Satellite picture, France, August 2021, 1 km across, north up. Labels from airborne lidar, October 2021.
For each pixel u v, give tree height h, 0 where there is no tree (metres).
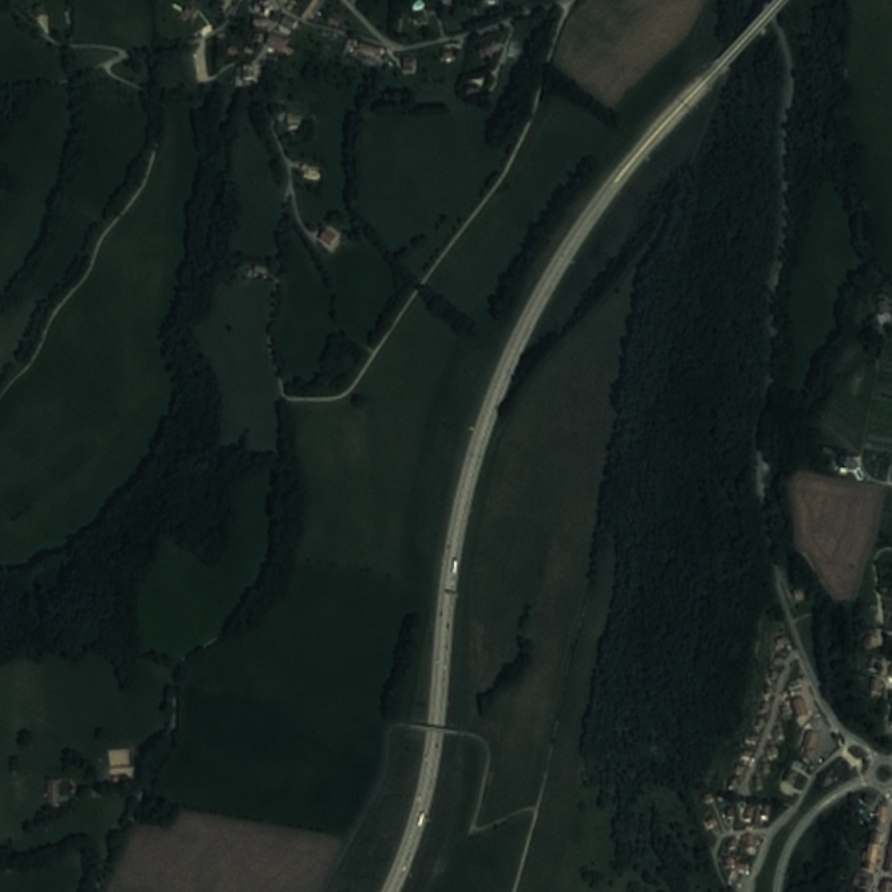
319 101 0
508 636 0
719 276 23
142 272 0
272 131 10
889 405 0
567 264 0
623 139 0
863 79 0
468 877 0
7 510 0
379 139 0
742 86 18
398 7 7
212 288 19
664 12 0
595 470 0
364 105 23
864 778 0
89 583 29
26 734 14
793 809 0
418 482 0
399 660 8
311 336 0
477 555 0
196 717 0
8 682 0
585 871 6
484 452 0
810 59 15
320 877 0
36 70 0
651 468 24
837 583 0
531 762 0
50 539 0
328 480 0
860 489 0
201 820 0
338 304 11
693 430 25
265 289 0
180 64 0
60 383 0
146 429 0
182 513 27
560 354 0
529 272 16
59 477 0
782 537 19
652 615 23
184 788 0
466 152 0
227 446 0
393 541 0
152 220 0
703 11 0
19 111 18
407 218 0
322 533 0
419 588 0
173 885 0
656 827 13
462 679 0
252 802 0
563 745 0
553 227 19
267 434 0
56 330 0
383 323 13
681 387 22
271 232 0
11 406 0
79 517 0
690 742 21
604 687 19
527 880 0
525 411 0
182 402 19
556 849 0
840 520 0
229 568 0
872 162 0
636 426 19
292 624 0
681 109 0
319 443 0
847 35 18
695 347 27
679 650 34
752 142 24
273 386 0
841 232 0
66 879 0
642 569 25
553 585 0
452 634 0
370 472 0
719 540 23
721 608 45
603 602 0
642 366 15
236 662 0
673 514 22
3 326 0
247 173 0
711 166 12
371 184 0
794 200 21
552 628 0
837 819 10
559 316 0
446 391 0
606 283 9
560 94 7
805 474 0
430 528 0
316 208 0
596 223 0
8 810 0
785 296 20
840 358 15
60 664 0
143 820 12
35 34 15
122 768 0
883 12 0
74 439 0
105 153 0
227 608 0
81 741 0
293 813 0
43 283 0
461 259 0
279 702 0
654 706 17
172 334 23
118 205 15
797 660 0
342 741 0
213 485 29
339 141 0
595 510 0
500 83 0
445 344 0
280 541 24
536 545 0
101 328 0
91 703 0
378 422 0
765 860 0
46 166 0
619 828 12
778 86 16
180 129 0
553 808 0
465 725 0
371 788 0
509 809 0
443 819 0
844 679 18
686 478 21
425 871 0
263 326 0
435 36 15
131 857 0
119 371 0
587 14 0
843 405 0
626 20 0
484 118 0
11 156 0
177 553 0
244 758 0
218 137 9
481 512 0
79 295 0
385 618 0
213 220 18
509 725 0
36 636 29
